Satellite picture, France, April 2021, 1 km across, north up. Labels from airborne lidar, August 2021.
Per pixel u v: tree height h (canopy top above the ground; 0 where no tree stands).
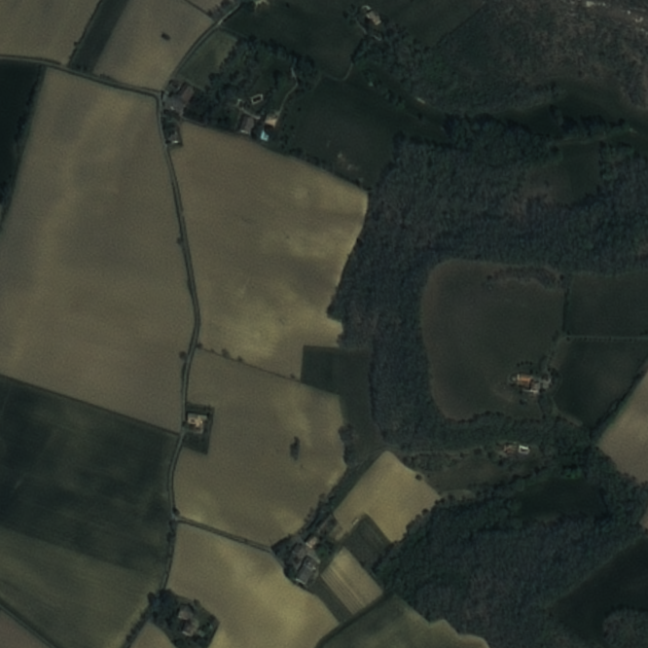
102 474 0
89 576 0
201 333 0
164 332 0
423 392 20
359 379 0
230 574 0
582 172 0
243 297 0
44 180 0
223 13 16
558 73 0
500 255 16
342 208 0
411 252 10
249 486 0
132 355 0
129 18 0
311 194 0
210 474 0
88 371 0
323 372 0
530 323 0
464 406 0
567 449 29
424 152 19
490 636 10
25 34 0
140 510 0
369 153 0
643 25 0
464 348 0
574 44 8
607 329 0
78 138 0
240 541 0
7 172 0
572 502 0
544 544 21
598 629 0
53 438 0
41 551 0
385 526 0
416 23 0
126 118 0
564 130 0
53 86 0
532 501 0
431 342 0
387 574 9
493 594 8
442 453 14
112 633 0
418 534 17
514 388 6
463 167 25
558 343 12
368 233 6
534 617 14
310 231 0
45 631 0
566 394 0
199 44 0
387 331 12
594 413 0
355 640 0
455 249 11
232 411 0
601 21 6
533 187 0
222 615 0
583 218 19
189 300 0
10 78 0
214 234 0
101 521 0
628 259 13
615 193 12
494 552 21
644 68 7
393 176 15
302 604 0
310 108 0
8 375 0
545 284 14
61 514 0
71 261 0
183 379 0
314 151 0
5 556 0
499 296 0
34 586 0
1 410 0
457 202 17
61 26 0
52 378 0
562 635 9
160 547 0
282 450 0
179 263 0
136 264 0
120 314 0
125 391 0
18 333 0
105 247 0
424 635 0
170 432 0
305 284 0
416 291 17
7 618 0
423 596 17
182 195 0
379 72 0
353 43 0
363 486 0
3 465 0
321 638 0
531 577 17
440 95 17
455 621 8
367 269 11
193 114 8
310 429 0
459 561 18
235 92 16
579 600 0
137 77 0
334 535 0
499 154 24
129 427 0
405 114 0
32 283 0
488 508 23
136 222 0
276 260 0
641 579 0
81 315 0
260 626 0
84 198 0
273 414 0
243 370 0
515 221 10
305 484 0
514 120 0
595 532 18
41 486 0
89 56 0
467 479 0
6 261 0
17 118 0
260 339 0
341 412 0
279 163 0
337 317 9
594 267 18
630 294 0
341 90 0
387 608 0
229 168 0
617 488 18
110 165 0
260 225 0
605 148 14
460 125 26
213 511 0
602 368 0
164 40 0
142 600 0
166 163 0
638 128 0
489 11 6
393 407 17
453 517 22
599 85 0
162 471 0
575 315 0
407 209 12
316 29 0
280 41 0
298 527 0
